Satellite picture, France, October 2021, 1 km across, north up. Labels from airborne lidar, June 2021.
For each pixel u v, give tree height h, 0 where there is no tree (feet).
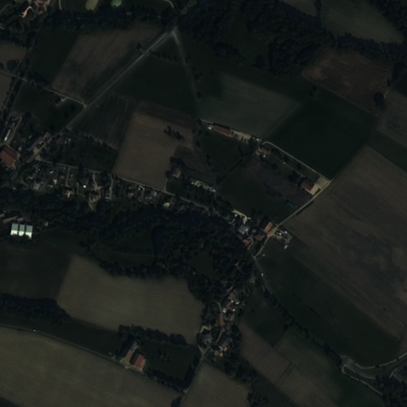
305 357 0
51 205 79
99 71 0
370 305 0
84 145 0
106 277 0
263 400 21
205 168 0
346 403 0
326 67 0
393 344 0
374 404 0
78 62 0
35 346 0
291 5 0
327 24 0
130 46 0
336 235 0
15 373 0
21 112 0
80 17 0
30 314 80
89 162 0
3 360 0
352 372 0
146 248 0
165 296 0
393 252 0
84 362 0
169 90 0
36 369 0
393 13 87
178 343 59
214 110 0
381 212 0
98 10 0
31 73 0
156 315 0
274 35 82
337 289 0
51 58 0
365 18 0
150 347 0
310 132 0
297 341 0
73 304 0
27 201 84
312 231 0
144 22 46
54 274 0
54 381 0
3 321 0
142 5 0
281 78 70
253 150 56
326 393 0
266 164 30
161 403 0
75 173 0
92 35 0
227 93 0
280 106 0
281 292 0
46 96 0
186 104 0
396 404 28
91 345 0
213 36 98
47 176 0
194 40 101
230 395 0
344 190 0
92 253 30
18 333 0
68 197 0
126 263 0
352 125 0
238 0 87
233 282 59
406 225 0
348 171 0
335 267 0
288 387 0
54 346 0
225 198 0
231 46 0
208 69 0
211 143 0
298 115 0
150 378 43
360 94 0
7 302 59
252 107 0
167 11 0
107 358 0
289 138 0
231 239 80
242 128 0
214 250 45
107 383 0
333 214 0
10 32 30
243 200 0
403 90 0
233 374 59
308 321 0
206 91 0
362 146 0
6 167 0
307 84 0
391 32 0
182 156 0
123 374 0
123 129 0
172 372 0
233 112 0
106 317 0
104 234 88
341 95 0
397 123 0
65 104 0
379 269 0
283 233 0
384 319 0
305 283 0
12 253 0
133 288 0
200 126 38
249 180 0
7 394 0
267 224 0
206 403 0
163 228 65
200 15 90
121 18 61
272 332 0
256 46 0
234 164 0
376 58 64
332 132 0
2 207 43
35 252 0
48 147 30
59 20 63
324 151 0
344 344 0
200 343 31
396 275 0
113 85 0
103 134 0
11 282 0
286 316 58
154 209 0
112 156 0
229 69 0
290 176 0
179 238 89
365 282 0
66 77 0
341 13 0
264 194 0
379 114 0
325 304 0
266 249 0
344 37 0
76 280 0
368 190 0
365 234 0
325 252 0
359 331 0
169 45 0
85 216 24
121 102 0
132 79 0
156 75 0
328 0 0
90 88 0
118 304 0
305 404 0
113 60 0
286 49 64
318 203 0
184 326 0
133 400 0
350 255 0
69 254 0
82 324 0
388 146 0
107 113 0
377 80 0
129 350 0
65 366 0
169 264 18
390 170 0
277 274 0
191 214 25
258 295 0
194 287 72
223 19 86
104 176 29
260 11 57
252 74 0
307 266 0
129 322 0
